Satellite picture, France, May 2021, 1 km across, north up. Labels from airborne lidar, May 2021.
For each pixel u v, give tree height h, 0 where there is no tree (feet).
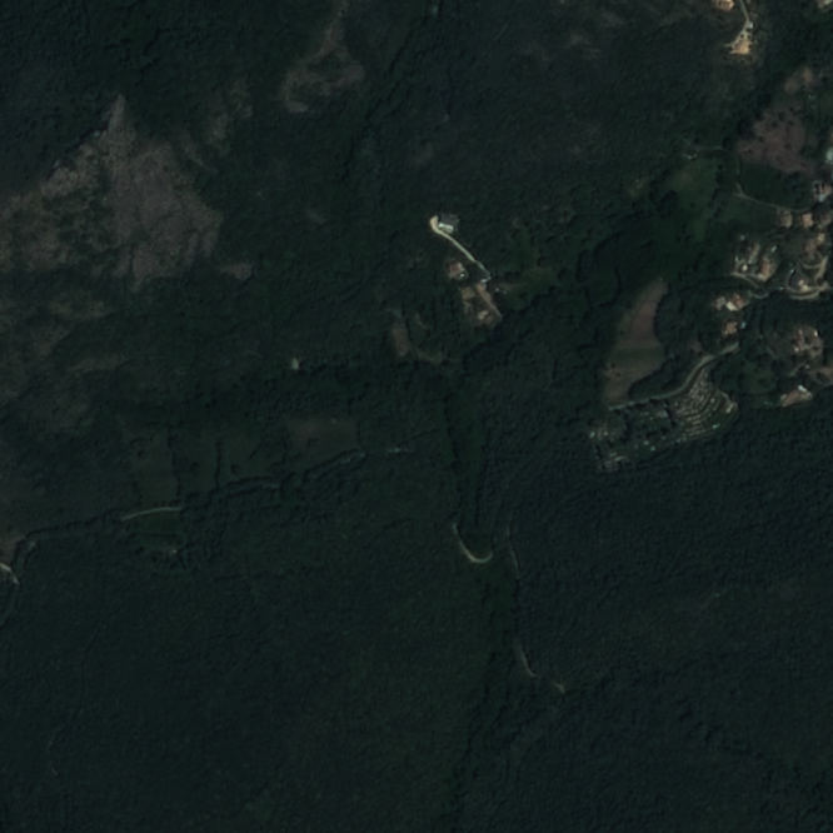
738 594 24
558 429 41
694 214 0
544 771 24
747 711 22
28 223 0
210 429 39
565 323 51
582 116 33
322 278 31
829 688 30
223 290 34
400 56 40
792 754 40
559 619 29
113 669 20
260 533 56
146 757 24
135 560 43
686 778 28
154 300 20
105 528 46
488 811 44
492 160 21
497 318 0
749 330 50
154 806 22
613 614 23
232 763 27
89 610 28
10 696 28
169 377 21
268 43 53
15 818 37
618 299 43
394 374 65
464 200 36
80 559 37
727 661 35
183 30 45
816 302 26
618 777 27
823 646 42
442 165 27
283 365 29
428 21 41
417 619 35
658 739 42
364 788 32
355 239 44
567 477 31
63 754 23
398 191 36
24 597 25
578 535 21
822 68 22
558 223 34
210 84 26
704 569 41
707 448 39
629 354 0
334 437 0
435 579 31
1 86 32
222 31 53
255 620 22
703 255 31
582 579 27
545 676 27
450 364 72
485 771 50
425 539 30
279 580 46
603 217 38
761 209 0
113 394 49
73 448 76
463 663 28
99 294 22
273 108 21
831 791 63
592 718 42
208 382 35
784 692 32
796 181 22
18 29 41
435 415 26
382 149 23
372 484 45
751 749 34
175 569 52
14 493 0
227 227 32
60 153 0
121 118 0
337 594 36
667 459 30
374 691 45
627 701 38
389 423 39
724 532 35
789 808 58
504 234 52
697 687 19
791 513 37
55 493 20
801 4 24
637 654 42
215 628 29
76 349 26
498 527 32
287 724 33
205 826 34
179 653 26
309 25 40
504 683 43
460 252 23
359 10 22
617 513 37
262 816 40
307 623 43
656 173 29
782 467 33
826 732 29
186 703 22
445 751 55
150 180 0
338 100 39
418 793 39
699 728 61
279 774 40
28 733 22
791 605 31
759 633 36
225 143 23
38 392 23
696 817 38
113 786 32
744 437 36
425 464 53
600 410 50
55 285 32
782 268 18
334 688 32
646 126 29
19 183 0
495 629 55
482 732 62
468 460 32
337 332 38
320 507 38
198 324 51
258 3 51
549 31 22
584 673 48
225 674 42
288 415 39
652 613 31
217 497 44
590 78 20
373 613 21
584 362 20
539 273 0
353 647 41
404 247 41
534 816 27
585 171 33
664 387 24
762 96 63
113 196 0
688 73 28
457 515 55
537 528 24
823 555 41
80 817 47
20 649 22
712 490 39
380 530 37
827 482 41
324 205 52
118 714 28
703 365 0
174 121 31
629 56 26
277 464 29
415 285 33
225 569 48
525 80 21
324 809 31
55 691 31
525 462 37
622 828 45
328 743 31
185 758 24
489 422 45
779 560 27
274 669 40
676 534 25
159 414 60
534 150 22
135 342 21
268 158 24
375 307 36
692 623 22
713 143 0
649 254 71
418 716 52
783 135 0
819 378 25
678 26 17
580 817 37
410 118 22
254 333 27
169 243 0
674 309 43
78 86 23
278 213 30
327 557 51
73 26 52
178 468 37
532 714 32
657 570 33
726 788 39
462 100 29
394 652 27
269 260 48
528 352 33
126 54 52
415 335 47
